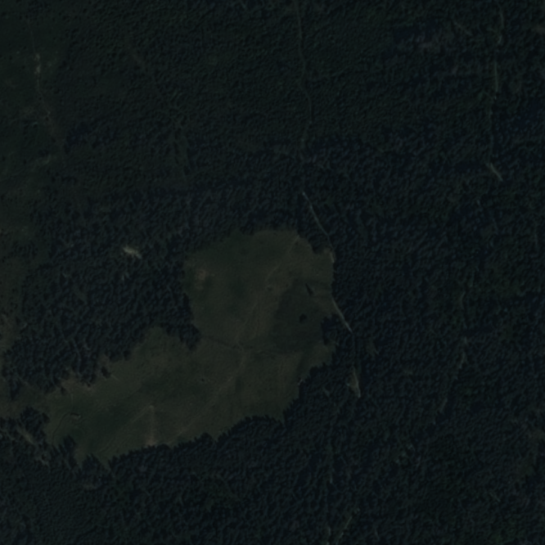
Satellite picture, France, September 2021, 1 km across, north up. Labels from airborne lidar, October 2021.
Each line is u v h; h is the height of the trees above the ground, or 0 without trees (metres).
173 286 27
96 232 24
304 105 11
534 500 29
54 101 0
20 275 0
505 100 11
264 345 0
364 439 8
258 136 8
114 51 10
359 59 12
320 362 0
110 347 28
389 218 7
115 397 0
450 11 9
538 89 11
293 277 0
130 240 23
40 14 7
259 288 0
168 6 10
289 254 0
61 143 0
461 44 10
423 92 30
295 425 25
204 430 0
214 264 0
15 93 0
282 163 19
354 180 34
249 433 24
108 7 9
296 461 29
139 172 10
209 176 12
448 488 17
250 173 25
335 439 24
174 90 10
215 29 12
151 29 9
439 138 11
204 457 26
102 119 9
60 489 10
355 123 8
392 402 33
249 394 0
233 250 0
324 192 18
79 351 23
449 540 21
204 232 27
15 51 0
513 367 26
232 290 0
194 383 0
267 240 0
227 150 14
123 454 0
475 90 23
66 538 14
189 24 9
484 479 30
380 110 8
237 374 0
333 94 9
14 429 24
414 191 9
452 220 10
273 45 10
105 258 19
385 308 11
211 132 10
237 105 8
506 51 11
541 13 16
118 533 11
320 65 11
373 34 10
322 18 9
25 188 0
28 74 0
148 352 0
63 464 11
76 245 17
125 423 0
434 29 11
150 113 9
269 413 0
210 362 0
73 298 25
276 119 8
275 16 11
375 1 8
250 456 23
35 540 25
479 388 12
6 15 7
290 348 0
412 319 34
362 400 13
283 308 0
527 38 15
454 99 27
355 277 21
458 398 12
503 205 18
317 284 0
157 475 31
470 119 10
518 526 32
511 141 29
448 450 10
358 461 31
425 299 30
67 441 0
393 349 29
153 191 8
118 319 24
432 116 11
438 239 37
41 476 14
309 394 21
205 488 10
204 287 0
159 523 19
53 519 12
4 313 6
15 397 21
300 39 8
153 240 21
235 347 0
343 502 33
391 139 28
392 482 30
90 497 12
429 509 19
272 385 0
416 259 31
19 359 18
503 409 34
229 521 36
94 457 0
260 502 27
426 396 8
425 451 33
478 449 29
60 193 9
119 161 8
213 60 8
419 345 25
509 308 16
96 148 25
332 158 33
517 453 8
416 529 27
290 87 9
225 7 31
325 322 0
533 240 21
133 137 10
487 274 33
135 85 12
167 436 0
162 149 24
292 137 8
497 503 16
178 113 7
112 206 11
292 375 0
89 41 6
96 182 6
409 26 10
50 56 0
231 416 0
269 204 24
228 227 16
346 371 23
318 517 31
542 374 31
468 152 32
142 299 9
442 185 29
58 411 0
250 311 0
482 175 30
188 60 10
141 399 0
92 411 0
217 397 0
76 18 10
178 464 29
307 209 30
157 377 0
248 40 11
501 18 9
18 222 0
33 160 0
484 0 17
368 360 7
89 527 19
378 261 29
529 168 31
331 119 7
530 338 27
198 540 18
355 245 31
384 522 30
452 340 36
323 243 25
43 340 22
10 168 0
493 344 35
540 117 26
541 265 12
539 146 17
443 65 10
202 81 11
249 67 8
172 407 0
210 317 0
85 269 24
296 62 9
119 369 0
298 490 24
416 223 16
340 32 10
